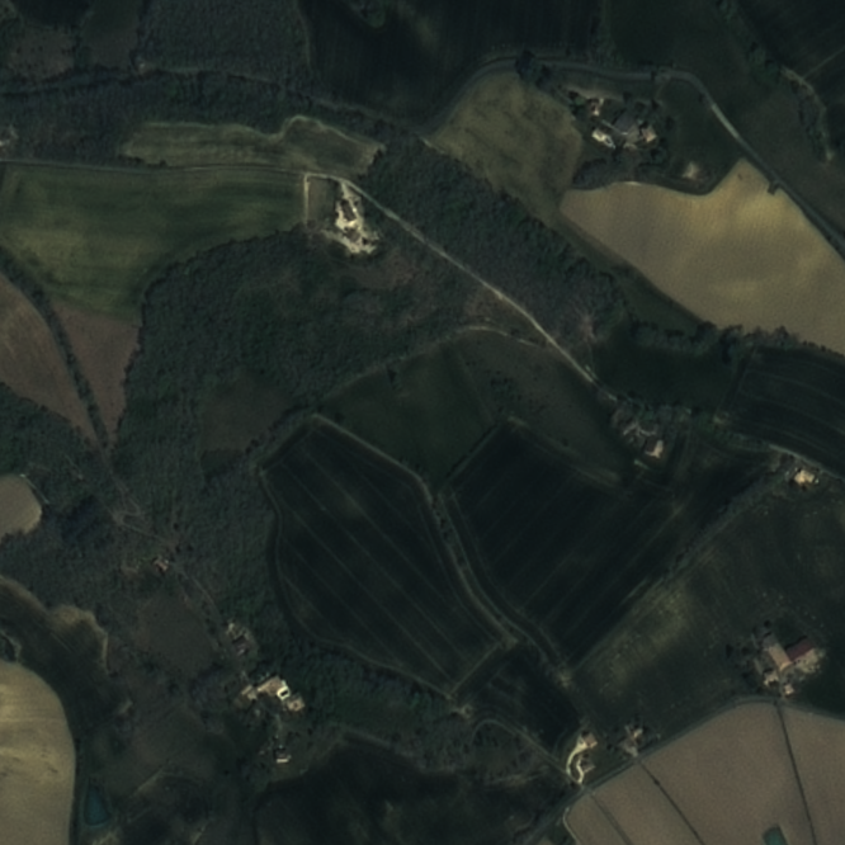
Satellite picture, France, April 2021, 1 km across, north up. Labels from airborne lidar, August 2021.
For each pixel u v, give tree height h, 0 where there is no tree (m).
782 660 0
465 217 14
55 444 20
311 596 0
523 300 14
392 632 0
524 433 0
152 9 21
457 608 0
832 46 0
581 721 0
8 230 0
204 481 17
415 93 0
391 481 0
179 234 0
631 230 0
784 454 0
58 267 0
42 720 0
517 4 0
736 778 0
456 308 13
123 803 0
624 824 0
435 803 0
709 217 0
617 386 0
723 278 0
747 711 0
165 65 17
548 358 0
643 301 0
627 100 10
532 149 0
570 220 0
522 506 0
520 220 30
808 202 0
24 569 22
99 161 12
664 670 0
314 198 0
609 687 0
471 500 0
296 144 0
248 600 12
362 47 0
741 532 0
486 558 0
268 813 0
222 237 0
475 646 0
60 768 0
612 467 0
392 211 9
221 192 0
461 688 0
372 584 0
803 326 0
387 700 20
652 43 0
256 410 0
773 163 0
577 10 0
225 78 16
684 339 16
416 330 13
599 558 0
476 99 0
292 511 0
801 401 0
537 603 0
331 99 22
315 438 0
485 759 0
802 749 0
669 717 0
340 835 0
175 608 0
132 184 0
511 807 0
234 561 13
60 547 9
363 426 0
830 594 0
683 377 0
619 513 0
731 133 0
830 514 0
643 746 8
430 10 0
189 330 19
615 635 0
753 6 0
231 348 26
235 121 11
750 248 0
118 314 0
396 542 0
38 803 0
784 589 0
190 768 0
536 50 0
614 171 21
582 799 0
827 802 0
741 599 0
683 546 0
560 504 0
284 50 16
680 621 0
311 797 0
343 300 11
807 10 0
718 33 0
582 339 14
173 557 8
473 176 25
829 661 0
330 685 16
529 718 0
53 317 12
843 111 0
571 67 0
